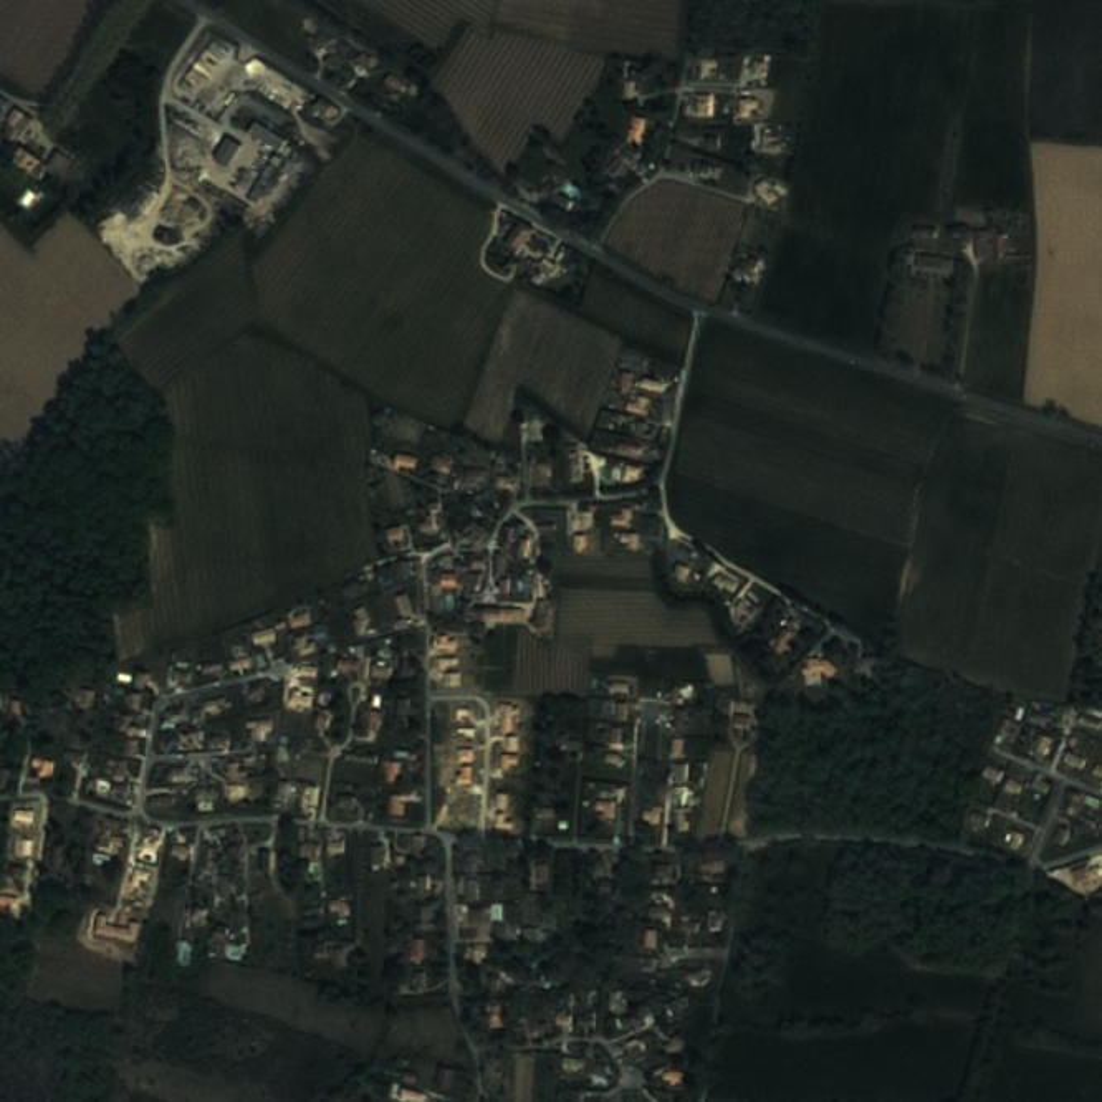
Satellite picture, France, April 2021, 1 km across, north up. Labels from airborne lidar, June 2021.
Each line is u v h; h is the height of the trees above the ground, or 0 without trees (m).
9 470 24
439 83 0
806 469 0
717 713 9
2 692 6
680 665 0
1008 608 0
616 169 0
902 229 0
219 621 0
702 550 10
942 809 16
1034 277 0
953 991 0
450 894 0
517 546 0
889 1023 6
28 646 25
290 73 0
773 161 0
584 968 17
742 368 0
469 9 0
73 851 10
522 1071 0
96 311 0
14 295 0
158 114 7
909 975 0
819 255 0
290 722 0
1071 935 14
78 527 27
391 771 0
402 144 0
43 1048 13
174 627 0
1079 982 0
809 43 9
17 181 15
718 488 0
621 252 0
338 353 0
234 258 0
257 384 0
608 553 0
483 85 0
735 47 11
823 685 0
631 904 20
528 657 0
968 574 0
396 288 0
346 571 0
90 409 26
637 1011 9
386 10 0
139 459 24
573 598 0
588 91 0
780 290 0
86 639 22
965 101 0
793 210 0
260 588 0
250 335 0
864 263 0
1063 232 0
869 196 0
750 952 18
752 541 0
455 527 11
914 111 0
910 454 0
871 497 0
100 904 13
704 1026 0
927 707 7
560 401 0
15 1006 12
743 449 0
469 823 0
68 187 6
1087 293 0
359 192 0
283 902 0
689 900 12
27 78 0
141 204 0
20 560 26
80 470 31
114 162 0
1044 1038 16
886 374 0
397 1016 12
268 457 0
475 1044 8
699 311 0
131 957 9
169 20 0
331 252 0
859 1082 0
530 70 0
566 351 0
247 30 0
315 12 18
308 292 0
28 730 20
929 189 0
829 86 0
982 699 7
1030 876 17
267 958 9
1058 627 0
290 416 0
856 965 0
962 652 0
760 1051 0
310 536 0
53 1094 12
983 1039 5
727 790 0
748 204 0
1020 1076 0
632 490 9
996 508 0
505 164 0
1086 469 0
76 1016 8
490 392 0
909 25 0
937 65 0
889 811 15
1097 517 0
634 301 0
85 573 27
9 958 19
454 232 0
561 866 8
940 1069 0
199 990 0
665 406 0
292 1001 0
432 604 0
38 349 0
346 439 0
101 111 0
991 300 0
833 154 0
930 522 0
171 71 0
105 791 0
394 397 0
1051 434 0
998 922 25
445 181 0
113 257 0
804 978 0
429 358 0
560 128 0
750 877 16
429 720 0
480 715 0
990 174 0
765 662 13
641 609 0
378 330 0
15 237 0
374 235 0
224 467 0
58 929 18
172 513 20
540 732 12
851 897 22
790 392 0
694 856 18
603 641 0
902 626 0
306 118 0
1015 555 0
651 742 0
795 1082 0
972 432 0
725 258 0
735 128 0
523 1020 13
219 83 0
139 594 19
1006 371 0
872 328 0
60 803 20
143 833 14
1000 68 0
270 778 8
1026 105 0
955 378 9
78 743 15
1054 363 0
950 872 21
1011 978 9
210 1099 0
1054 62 0
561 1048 5
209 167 0
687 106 0
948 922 27
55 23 0
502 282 0
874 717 12
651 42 0
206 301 0
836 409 0
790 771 20
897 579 0
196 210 0
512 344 0
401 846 5
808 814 18
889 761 10
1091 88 0
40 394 0
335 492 0
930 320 0
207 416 0
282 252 0
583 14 0
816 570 0
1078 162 0
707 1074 7
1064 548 0
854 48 0
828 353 0
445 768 0
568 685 0
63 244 0
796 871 12
